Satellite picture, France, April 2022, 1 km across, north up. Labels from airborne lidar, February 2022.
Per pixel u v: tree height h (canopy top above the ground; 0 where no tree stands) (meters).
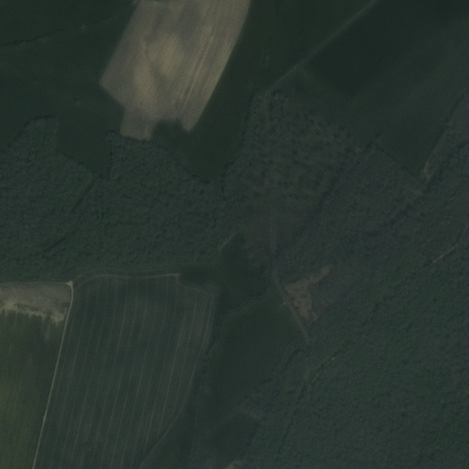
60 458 0
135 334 0
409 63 0
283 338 0
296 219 0
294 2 0
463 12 0
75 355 0
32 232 26
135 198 25
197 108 0
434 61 0
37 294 0
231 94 0
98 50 0
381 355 24
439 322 22
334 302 25
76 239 23
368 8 0
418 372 23
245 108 0
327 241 22
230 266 0
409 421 29
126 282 0
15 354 0
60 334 0
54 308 0
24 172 24
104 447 0
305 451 25
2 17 0
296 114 0
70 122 0
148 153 25
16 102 0
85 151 0
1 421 0
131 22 0
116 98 0
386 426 25
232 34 0
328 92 0
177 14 0
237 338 0
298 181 30
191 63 0
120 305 0
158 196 24
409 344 22
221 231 25
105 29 0
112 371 0
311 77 0
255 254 22
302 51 0
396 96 0
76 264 24
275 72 0
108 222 24
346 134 23
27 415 0
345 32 0
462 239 19
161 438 0
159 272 0
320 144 0
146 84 0
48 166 26
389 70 0
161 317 0
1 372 0
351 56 0
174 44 0
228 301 0
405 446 27
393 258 23
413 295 24
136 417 0
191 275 0
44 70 0
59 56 0
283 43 0
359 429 21
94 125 0
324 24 0
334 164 25
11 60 0
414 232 20
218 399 0
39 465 0
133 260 24
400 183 7
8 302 0
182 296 0
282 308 0
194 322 0
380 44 0
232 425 0
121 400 0
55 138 21
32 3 0
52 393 0
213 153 0
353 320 23
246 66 0
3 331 0
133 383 0
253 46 0
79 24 0
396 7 0
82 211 24
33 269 23
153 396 0
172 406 0
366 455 22
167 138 0
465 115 24
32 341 0
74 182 22
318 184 0
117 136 15
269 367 0
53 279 25
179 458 0
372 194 20
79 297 0
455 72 0
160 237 26
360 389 27
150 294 0
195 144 0
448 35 0
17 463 0
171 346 0
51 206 28
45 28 0
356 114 0
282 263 26
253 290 0
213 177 0
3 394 0
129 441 0
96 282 0
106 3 0
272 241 0
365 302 24
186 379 0
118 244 24
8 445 0
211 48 0
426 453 28
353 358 23
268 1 0
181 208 24
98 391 0
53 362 0
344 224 7
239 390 0
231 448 0
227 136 0
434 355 26
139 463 0
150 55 0
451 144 20
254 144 23
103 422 0
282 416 31
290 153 27
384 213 5
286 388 26
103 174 0
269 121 0
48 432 0
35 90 0
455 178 26
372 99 0
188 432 0
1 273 25
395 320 21
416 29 0
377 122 0
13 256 26
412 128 0
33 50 0
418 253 20
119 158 28
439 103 0
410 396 26
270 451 27
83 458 0
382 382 22
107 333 0
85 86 0
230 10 0
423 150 0
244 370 0
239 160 15
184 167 17
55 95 0
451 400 24
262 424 20
